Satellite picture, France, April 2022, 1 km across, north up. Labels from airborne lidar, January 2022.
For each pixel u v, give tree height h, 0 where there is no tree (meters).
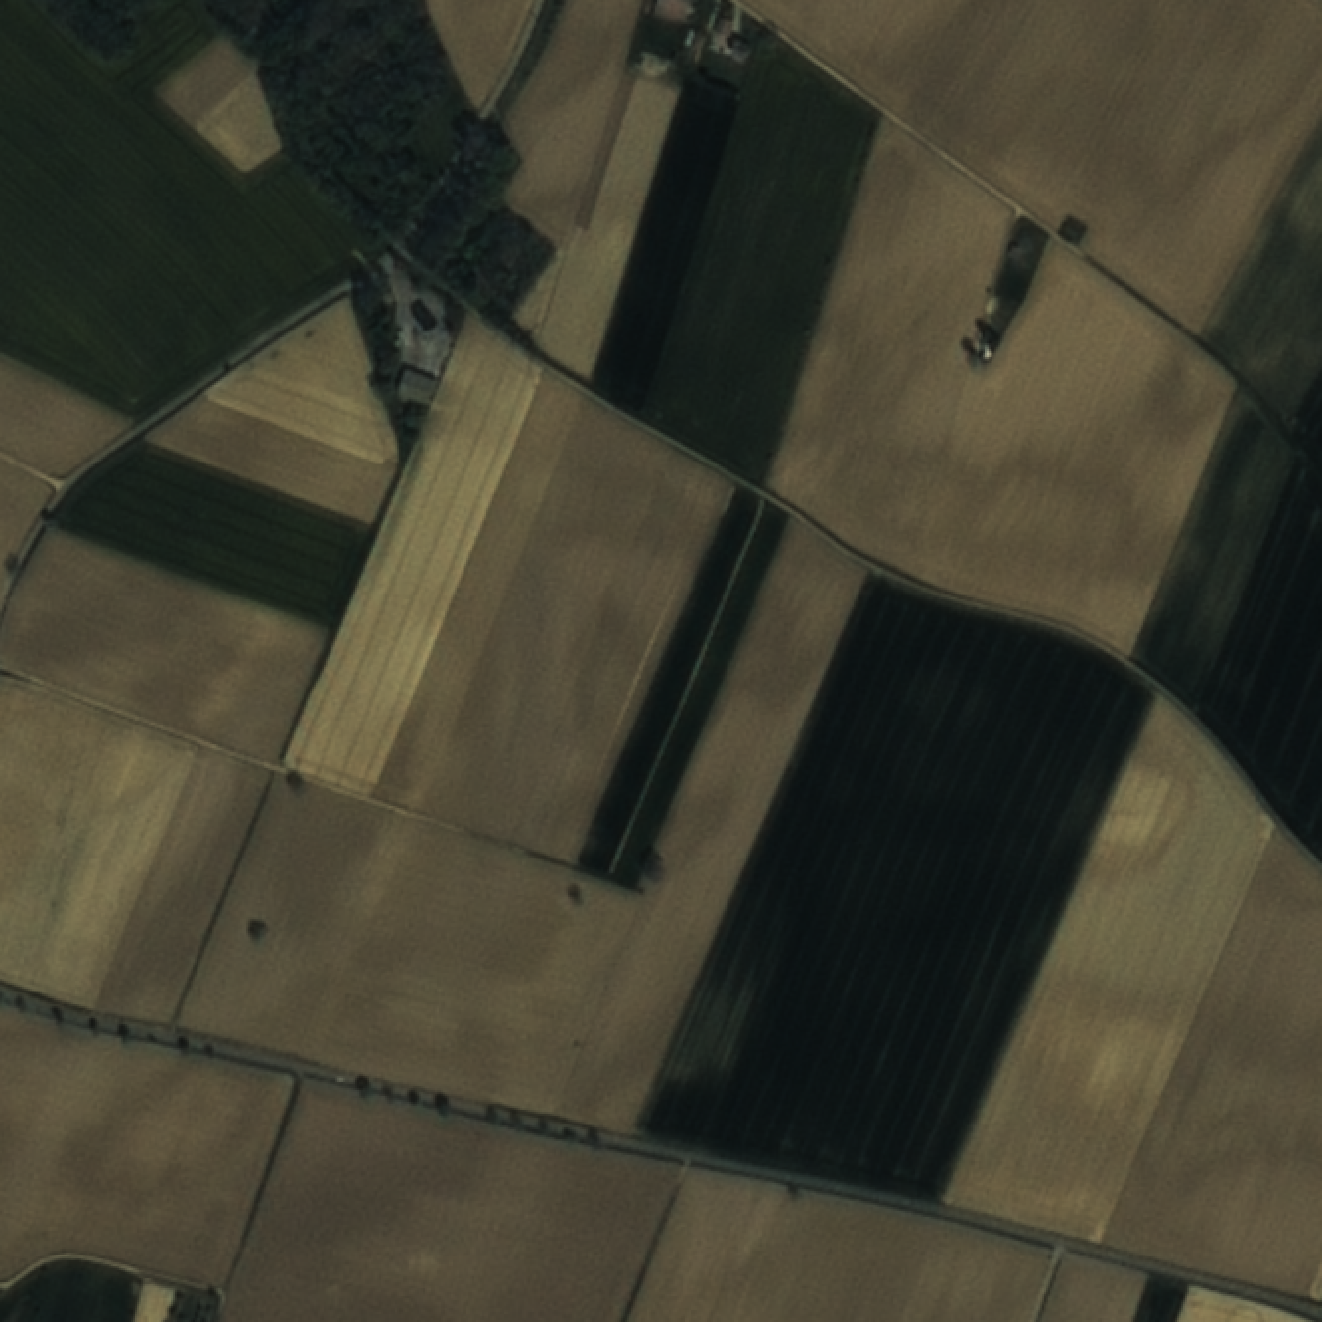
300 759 0
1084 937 0
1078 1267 0
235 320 0
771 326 0
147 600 0
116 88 0
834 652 0
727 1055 0
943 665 0
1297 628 0
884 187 0
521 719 0
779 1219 0
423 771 0
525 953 0
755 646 0
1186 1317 0
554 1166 0
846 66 0
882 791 0
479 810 0
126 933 0
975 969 0
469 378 0
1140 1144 0
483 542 0
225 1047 0
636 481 0
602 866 0
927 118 0
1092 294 0
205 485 0
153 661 0
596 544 0
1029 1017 0
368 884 0
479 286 31
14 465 0
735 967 0
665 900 0
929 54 0
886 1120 0
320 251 0
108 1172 0
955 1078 0
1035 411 0
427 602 0
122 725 0
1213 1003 0
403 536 0
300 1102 0
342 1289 0
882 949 0
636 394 0
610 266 0
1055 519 0
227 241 0
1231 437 0
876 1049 0
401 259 15
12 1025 0
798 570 0
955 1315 0
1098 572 0
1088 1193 0
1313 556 0
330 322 0
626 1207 0
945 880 0
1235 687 0
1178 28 0
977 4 0
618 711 0
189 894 0
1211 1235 0
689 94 0
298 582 0
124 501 0
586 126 0
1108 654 0
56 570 0
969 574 0
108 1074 0
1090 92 0
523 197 0
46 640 0
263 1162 0
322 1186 0
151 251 0
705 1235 0
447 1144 0
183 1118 0
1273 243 0
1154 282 0
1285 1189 0
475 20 0
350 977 0
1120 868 0
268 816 0
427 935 0
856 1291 0
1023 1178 0
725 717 0
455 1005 0
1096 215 0
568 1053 0
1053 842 0
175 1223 0
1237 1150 0
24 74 0
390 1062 0
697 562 0
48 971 0
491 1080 0
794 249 0
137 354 0
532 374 0
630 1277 0
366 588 0
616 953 0
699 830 0
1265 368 0
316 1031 0
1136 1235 0
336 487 0
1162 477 0
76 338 0
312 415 0
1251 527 0
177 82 0
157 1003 0
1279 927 0
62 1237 0
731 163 0
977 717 0
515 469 0
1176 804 0
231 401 0
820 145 0
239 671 0
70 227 0
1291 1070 0
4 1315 0
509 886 0
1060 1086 0
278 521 0
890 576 0
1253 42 0
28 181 0
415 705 0
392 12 29
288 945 0
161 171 0
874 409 0
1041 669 0
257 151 0
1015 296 0
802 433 0
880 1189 0
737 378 0
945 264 0
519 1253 0
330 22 31
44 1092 0
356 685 0
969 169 0
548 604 0
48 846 0
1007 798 0
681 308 0
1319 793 0
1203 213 0
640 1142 0
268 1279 0
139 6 24
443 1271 0
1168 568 0
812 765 0
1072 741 0
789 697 0
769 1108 0
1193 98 0
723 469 0
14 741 0
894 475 0
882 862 0
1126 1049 0
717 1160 0
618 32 0
